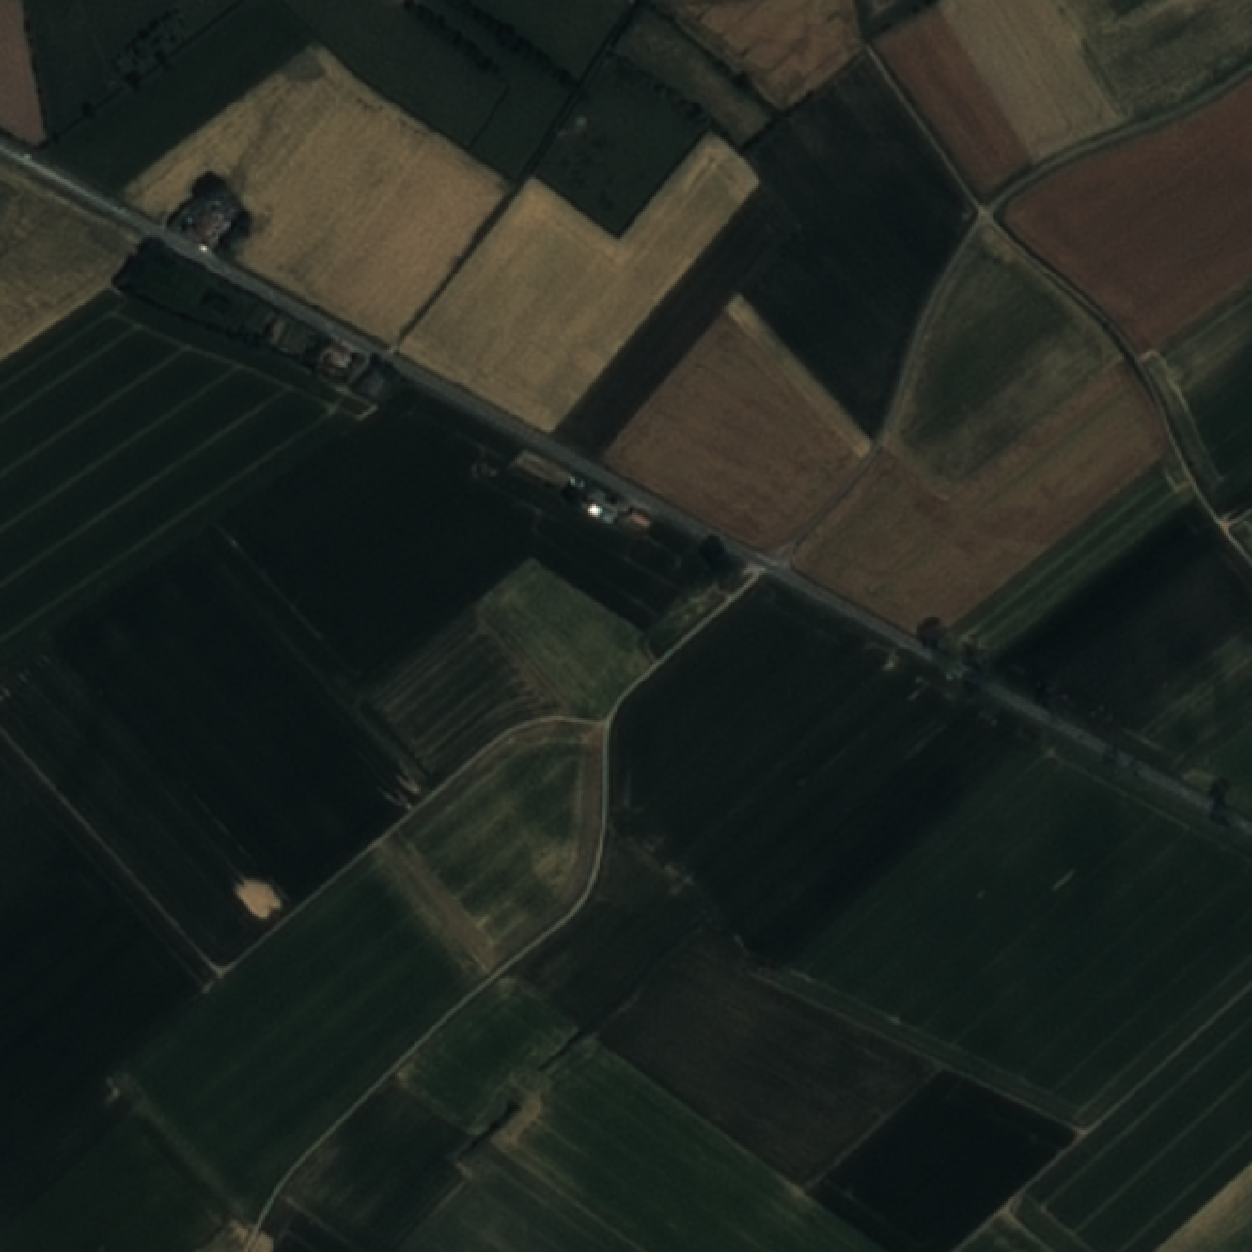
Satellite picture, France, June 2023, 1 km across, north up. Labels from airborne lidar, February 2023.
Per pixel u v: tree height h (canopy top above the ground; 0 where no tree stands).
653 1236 0
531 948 0
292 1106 0
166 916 0
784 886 0
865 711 0
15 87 0
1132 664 0
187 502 0
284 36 0
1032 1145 0
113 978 0
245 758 0
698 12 0
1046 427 0
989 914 0
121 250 0
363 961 0
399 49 0
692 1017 0
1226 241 0
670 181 0
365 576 0
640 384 0
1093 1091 0
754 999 0
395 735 0
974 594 0
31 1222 0
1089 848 0
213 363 0
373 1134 0
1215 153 0
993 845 0
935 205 0
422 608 0
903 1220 0
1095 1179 0
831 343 0
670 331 0
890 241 0
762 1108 0
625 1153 0
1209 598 0
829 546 0
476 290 0
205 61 0
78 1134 0
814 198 0
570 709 0
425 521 0
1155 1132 0
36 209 0
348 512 0
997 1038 0
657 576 0
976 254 0
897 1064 0
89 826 0
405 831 0
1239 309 0
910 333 0
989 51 0
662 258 0
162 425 0
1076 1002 0
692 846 0
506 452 0
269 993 0
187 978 0
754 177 0
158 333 0
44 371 0
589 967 0
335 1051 0
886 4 0
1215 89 0
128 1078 0
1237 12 0
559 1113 0
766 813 0
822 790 0
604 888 0
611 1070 0
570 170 0
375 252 0
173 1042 0
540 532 0
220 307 6
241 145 0
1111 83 0
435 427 0
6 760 0
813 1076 0
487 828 0
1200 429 0
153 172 0
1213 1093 0
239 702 0
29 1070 0
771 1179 0
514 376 0
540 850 0
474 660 0
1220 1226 0
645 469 0
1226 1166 0
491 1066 0
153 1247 0
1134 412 0
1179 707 0
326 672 0
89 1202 0
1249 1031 0
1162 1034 0
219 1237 0
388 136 0
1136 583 0
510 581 0
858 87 0
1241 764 0
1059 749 0
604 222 0
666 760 0
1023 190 0
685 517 0
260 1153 0
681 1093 0
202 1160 0
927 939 0
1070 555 0
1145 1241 0
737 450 0
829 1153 0
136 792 0
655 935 0
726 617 0
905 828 0
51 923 0
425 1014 0
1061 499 0
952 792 0
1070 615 0
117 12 0
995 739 0
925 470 0
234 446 0
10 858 0
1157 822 0
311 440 0
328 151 0
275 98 0
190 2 0
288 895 0
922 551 0
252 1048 0
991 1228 0
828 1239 0
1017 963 0
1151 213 0
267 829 0
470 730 0
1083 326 0
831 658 0
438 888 0
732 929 0
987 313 0
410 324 0
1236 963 0
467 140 0
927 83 0
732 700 0
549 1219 0
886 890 0
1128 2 0
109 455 0
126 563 0
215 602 0
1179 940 0
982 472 0
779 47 0
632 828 0
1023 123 0
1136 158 0
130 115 0
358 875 0
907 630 0
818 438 0
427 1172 0
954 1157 0
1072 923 0
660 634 0
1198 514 0
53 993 0
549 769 0
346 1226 0
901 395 0
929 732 0
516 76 0
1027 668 0
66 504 0
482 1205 0
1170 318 0
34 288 0
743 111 0
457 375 0
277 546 0
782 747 0
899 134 0
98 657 0
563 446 0
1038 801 0
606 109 0
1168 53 0
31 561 0
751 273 0
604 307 0
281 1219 0
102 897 0
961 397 0
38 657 0
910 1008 0
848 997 0
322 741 0
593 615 0
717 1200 0
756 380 0
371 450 0
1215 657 0
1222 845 0
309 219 0
